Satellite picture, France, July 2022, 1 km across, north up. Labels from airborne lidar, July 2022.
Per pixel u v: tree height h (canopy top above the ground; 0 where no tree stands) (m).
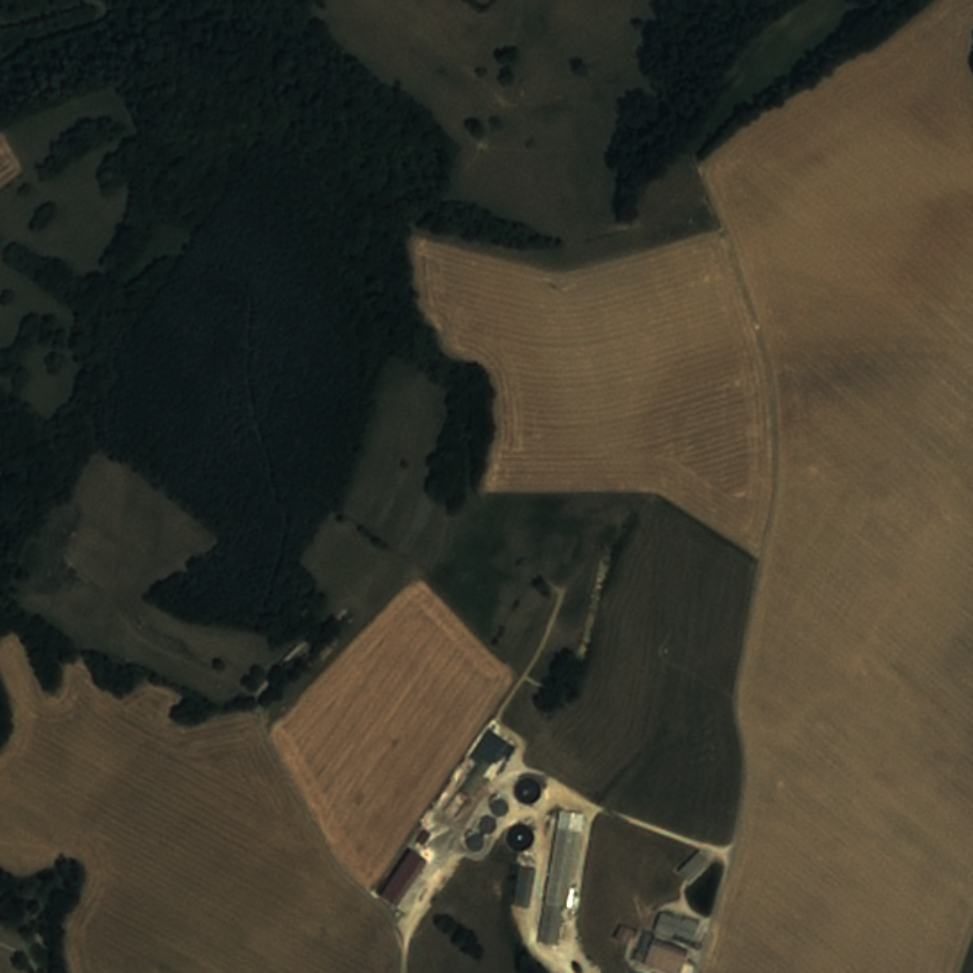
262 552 11
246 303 10
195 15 19
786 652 0
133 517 0
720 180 0
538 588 14
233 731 0
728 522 0
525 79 0
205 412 11
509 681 0
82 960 0
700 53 22
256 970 0
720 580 0
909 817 0
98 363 8
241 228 11
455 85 0
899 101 0
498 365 0
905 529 0
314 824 0
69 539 0
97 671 21
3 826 0
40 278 16
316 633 16
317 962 0
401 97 15
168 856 0
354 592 0
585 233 0
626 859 0
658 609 0
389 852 0
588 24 0
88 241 0
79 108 0
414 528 0
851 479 0
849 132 0
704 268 0
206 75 20
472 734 0
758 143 0
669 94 10
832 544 0
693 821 0
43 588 0
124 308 8
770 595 0
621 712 0
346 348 13
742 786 0
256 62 25
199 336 8
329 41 8
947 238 0
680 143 19
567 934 0
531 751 0
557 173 0
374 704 0
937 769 0
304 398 11
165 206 13
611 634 0
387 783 0
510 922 0
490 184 0
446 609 0
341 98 19
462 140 0
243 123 14
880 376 0
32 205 0
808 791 0
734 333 0
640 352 0
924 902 0
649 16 0
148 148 11
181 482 10
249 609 12
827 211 0
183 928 0
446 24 0
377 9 0
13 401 12
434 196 12
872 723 0
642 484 0
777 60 0
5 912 9
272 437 11
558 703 19
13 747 0
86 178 0
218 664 12
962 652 0
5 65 11
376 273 21
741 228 0
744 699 0
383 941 0
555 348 0
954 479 0
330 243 10
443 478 22
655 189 0
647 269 0
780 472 0
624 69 0
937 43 0
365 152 13
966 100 0
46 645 17
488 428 24
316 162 9
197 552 0
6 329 0
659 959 0
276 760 0
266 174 9
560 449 0
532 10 0
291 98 30
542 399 0
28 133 0
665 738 0
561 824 0
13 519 17
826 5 0
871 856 0
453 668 0
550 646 0
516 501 0
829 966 0
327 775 0
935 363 0
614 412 0
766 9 15
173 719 11
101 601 0
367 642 0
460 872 0
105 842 0
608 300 0
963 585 0
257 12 22
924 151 0
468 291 0
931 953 0
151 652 0
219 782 0
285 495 10
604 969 0
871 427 0
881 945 0
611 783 0
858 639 0
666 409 0
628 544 0
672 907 0
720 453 0
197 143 8
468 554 0
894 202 0
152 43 20
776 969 0
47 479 17
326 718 0
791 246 0
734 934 0
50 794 0
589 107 0
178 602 9
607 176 0
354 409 14
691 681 0
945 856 0
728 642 0
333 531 0
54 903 17
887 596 0
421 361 11
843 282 0
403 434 0
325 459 13
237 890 0
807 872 0
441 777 0
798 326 0
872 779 0
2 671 0
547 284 0
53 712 0
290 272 10
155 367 13
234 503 11
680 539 0
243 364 10
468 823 0
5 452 16
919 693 0
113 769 0
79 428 10
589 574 0
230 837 0
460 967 0
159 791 0
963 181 0
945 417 0
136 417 12
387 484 0
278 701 13
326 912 0
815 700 0
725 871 0
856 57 7
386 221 20
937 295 0
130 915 0
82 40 12
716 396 0
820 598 0
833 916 0
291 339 10
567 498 0
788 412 0
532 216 0
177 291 10
